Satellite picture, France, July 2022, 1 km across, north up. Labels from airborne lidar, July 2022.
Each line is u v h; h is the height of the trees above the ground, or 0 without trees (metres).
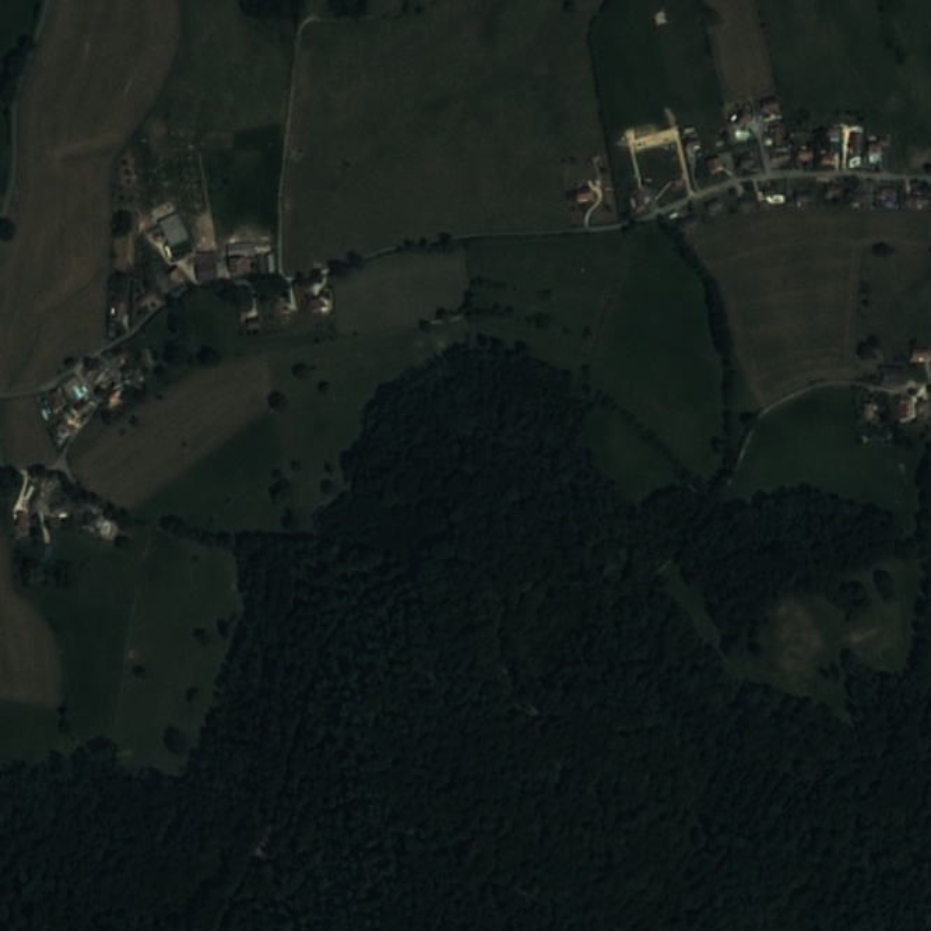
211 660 0
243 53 0
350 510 9
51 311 0
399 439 27
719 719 24
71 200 0
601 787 20
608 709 38
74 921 28
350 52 0
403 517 11
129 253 0
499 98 0
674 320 0
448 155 0
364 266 14
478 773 22
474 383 25
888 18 0
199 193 0
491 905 18
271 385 0
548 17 0
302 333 0
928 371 0
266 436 0
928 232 0
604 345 0
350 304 0
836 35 0
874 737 25
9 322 0
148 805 28
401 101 0
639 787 26
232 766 27
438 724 21
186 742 17
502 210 0
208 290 16
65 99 0
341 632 7
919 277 0
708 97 0
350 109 0
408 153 0
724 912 22
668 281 0
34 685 0
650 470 0
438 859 21
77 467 0
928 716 26
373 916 17
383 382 0
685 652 28
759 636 16
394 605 14
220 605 0
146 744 0
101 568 0
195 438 0
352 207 0
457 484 35
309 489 0
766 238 0
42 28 0
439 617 27
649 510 14
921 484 16
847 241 0
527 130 0
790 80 0
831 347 0
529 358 19
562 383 13
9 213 0
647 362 0
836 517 26
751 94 0
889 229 0
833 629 0
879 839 27
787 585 24
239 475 0
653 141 0
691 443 0
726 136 6
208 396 0
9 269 0
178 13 0
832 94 0
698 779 34
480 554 32
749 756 32
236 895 8
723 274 0
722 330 19
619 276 0
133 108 0
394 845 10
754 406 0
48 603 0
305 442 0
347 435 0
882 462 0
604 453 0
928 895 24
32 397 0
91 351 0
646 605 29
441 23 0
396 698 22
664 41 0
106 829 27
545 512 32
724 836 34
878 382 8
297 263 0
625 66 0
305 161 0
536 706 7
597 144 0
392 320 0
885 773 38
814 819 24
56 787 32
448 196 0
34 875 35
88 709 0
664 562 9
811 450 0
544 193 0
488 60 0
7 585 0
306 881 11
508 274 0
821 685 0
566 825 27
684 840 32
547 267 0
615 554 35
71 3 0
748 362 0
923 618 22
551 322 9
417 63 0
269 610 25
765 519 25
